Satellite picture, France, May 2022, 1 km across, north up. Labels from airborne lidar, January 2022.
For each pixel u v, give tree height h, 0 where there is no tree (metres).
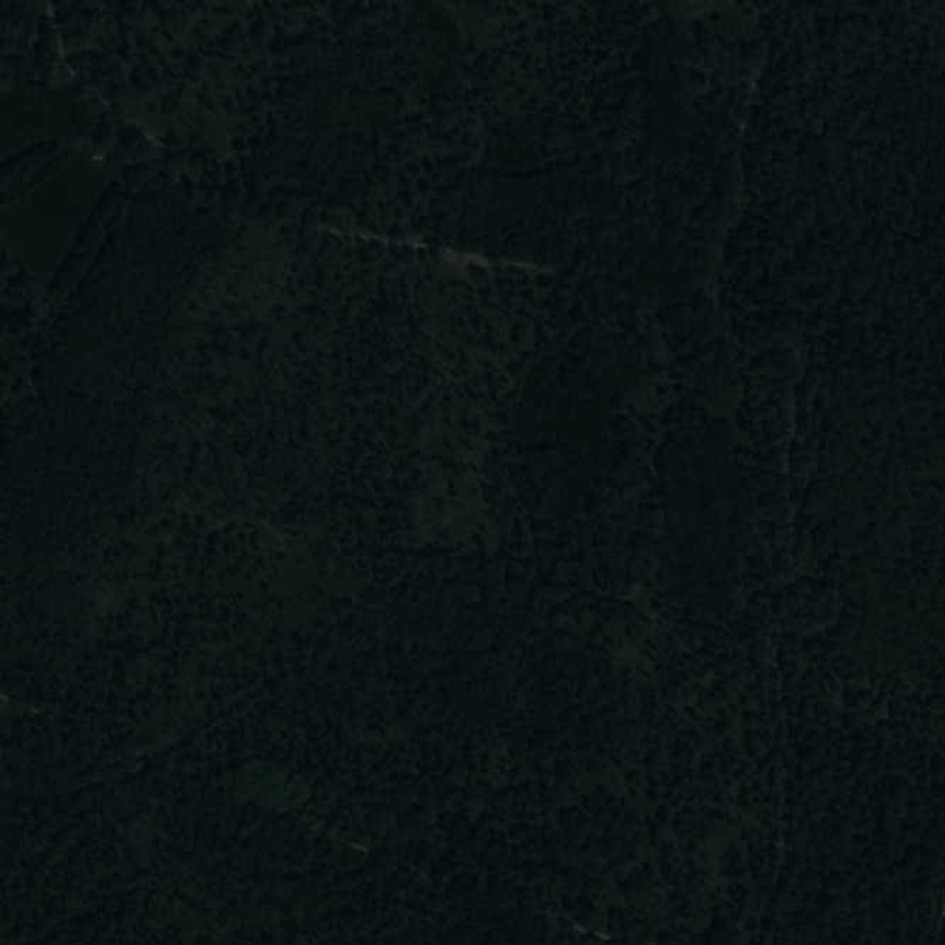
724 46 19
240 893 27
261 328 27
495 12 9
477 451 0
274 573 0
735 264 14
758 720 13
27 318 24
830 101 28
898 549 25
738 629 11
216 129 0
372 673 27
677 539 21
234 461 28
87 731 27
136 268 23
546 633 16
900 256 28
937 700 10
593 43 14
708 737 8
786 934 13
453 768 30
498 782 24
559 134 31
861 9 17
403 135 29
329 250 26
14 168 16
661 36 40
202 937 0
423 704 25
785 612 15
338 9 17
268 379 29
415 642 25
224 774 24
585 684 27
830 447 26
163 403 24
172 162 29
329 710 29
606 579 26
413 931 31
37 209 0
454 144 29
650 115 41
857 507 24
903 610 25
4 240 0
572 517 10
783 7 14
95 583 26
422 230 17
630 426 26
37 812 24
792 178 27
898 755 25
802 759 28
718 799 19
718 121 40
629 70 19
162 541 0
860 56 27
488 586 32
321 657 25
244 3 0
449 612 22
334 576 0
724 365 29
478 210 19
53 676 27
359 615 23
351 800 27
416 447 6
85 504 27
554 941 24
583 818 27
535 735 24
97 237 15
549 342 26
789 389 17
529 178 17
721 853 0
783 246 32
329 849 24
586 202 20
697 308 25
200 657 0
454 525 0
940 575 21
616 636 0
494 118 12
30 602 23
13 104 14
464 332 12
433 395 28
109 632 12
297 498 23
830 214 29
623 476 22
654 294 13
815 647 15
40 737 25
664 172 13
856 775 14
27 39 26
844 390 27
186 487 23
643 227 22
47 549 16
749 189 11
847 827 29
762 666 21
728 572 17
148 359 20
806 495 18
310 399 23
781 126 13
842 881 17
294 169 17
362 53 20
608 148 32
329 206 30
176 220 20
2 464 16
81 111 18
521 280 9
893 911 26
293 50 21
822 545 25
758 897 19
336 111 20
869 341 41
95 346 21
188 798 24
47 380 20
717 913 10
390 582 18
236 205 20
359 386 23
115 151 13
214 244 22
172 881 31
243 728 14
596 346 12
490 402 19
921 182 20
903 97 26
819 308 26
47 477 21
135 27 31
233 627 26
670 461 20
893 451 23
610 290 39
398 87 19
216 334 26
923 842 26
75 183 0
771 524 33
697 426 21
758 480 24
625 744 26
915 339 26
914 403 24
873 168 26
